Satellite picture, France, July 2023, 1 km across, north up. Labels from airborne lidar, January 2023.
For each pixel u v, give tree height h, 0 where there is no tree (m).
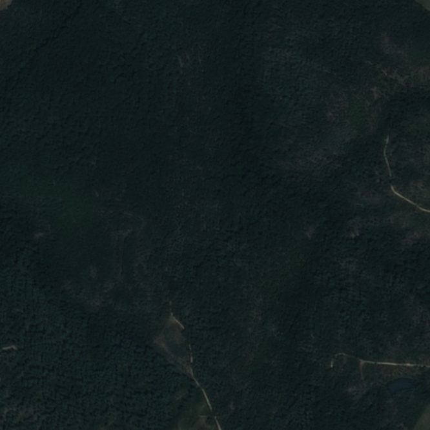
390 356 6
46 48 25
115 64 10
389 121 18
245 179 8
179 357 0
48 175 9
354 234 14
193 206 13
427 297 22
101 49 17
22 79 17
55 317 26
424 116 10
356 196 8
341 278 15
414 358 6
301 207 24
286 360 21
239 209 17
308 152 11
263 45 15
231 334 17
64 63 21
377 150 12
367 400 15
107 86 21
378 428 14
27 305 26
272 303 16
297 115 15
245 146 27
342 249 23
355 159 19
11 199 11
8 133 19
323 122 11
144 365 27
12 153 20
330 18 22
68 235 10
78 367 27
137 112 23
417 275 25
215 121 17
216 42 15
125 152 12
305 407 25
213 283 25
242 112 24
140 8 20
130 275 11
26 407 19
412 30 8
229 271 18
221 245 28
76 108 21
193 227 19
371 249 21
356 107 10
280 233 21
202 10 11
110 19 27
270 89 10
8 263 18
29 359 23
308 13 21
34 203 11
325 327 13
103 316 16
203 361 14
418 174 11
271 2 17
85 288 6
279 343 17
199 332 17
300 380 28
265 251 15
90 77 15
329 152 13
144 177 19
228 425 12
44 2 19
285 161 9
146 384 28
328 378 15
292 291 17
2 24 9
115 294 7
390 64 9
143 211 10
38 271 24
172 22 17
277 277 11
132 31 20
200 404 0
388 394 9
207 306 18
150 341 8
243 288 13
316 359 17
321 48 16
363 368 0
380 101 9
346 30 21
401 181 8
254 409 15
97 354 18
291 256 8
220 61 23
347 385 12
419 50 5
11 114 19
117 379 31
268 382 25
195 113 14
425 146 7
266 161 17
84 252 7
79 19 22
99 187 13
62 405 23
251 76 14
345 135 15
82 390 15
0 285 23
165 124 17
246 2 22
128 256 10
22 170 15
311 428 23
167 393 31
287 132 12
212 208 16
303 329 14
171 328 0
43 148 20
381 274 12
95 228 9
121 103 20
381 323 8
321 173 20
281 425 25
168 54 15
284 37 19
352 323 18
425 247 22
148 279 10
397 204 8
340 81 11
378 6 14
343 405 23
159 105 21
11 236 24
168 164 19
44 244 14
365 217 11
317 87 15
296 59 14
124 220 7
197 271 19
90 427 19
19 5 14
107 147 14
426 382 12
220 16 9
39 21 10
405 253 14
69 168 10
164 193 19
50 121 22
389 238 18
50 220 9
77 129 19
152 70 14
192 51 16
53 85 21
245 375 7
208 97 17
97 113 17
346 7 19
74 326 24
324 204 33
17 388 8
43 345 24
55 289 20
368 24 12
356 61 14
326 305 18
